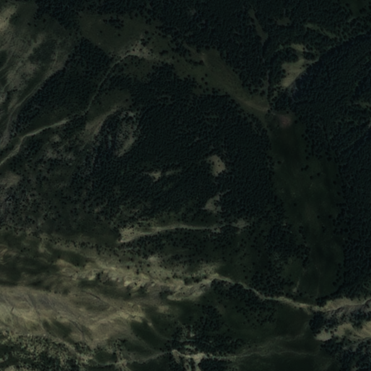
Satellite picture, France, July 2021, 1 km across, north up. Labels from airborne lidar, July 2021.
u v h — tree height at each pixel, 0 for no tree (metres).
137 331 0
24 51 0
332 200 0
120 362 0
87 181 7
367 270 20
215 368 14
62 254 0
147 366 0
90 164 10
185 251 0
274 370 0
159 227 0
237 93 0
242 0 28
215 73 0
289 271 0
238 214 13
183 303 0
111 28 0
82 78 10
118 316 0
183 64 0
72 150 12
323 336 0
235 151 18
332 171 0
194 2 23
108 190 10
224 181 13
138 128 9
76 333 0
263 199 13
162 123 12
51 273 0
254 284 10
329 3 24
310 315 0
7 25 0
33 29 0
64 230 0
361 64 21
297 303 0
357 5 0
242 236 0
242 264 7
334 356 10
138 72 0
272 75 25
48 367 7
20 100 0
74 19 8
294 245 10
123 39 0
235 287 10
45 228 0
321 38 24
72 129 11
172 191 11
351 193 22
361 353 16
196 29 19
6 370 0
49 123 0
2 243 0
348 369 16
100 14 11
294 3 29
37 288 0
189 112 10
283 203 11
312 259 0
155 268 0
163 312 0
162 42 0
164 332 0
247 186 15
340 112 20
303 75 0
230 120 14
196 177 15
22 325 0
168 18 19
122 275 0
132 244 6
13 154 0
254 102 0
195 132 17
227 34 16
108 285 0
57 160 13
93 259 0
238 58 20
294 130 0
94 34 0
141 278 0
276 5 26
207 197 14
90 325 0
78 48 14
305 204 0
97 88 6
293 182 0
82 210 0
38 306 0
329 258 0
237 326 0
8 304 0
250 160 16
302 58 0
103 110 0
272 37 22
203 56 0
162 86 13
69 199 6
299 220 0
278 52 9
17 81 0
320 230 0
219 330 10
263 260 0
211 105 13
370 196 22
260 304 11
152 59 0
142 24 0
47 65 0
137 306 0
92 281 0
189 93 15
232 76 0
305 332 0
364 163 25
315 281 0
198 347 12
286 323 0
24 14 0
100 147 10
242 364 0
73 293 0
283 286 9
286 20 0
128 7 16
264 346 0
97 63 7
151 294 0
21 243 0
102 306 0
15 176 0
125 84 7
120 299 0
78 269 0
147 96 14
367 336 0
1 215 0
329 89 27
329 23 18
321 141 15
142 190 11
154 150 12
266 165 14
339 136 24
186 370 15
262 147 13
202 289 0
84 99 11
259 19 22
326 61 29
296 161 0
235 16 24
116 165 7
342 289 18
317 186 0
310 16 20
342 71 21
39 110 12
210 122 10
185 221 7
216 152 10
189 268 0
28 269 0
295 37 22
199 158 10
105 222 0
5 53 0
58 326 0
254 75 18
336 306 0
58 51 0
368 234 23
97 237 0
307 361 0
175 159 11
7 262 0
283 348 0
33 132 0
